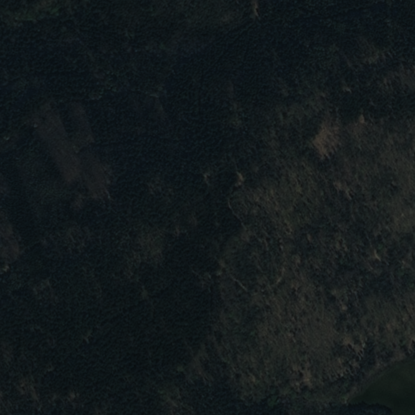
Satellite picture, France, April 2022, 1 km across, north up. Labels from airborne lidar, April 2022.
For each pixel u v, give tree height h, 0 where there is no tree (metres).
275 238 17
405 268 18
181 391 20
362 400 0
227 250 25
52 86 33
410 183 22
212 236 18
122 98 21
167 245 18
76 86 31
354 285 31
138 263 21
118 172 23
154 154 26
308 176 23
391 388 0
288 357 18
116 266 26
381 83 26
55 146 19
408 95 27
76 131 19
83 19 38
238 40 24
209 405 22
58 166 18
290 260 23
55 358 25
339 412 28
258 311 14
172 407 18
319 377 21
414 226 17
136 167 22
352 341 25
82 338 32
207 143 20
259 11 13
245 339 15
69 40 24
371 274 33
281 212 23
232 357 23
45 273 14
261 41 22
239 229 28
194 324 27
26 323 23
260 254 18
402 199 21
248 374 21
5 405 23
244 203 14
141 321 26
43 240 13
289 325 21
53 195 19
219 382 26
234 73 17
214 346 24
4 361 29
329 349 17
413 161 20
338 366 19
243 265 18
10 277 13
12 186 16
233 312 26
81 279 30
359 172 22
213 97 21
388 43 27
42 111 22
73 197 14
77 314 28
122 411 30
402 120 28
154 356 25
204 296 25
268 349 16
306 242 29
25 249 8
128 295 23
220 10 16
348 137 24
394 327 17
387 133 27
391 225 23
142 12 20
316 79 22
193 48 24
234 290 24
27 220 18
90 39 28
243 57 23
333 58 23
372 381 18
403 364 13
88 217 12
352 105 25
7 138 18
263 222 16
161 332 29
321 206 27
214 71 26
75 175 19
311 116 25
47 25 35
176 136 34
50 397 25
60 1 22
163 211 22
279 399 20
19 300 20
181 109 24
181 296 27
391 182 25
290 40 22
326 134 0
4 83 20
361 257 35
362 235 27
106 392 29
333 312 22
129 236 17
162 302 31
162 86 24
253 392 21
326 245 31
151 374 35
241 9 18
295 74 21
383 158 23
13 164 17
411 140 24
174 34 26
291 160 19
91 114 29
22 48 28
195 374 28
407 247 27
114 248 30
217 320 30
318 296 18
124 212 24
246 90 22
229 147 22
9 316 29
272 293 18
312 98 21
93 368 32
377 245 26
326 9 27
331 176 28
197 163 24
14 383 33
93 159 17
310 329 18
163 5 18
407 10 28
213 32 23
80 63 28
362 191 24
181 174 30
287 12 29
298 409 22
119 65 26
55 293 22
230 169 18
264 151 24
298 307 21
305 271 22
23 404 28
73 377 31
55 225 16
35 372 34
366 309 22
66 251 20
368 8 17
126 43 28
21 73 21
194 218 24
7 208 15
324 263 32
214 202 28
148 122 20
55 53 29
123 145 19
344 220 27
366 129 24
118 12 24
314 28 25
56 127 21
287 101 23
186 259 25
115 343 32
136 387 32
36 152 18
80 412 25
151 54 19
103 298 23
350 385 21
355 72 18
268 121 16
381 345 22
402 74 19
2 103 37
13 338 32
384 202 25
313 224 27
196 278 24
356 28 21
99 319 27
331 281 26
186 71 28
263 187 23
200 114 37
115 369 26
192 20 20
